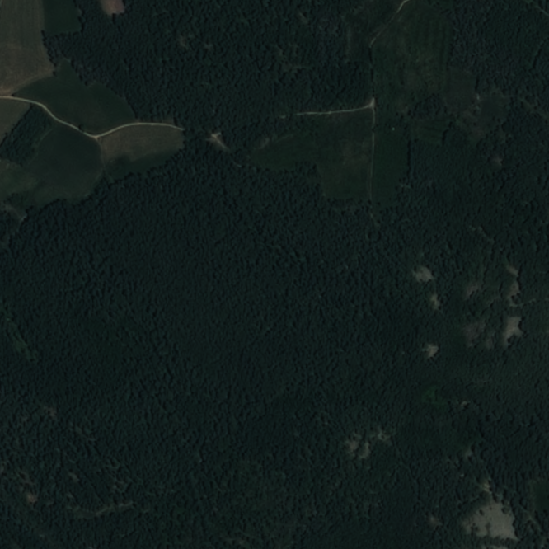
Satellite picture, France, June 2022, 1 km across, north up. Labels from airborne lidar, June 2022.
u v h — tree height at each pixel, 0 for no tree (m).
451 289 23
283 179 18
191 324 21
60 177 0
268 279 23
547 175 20
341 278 14
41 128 11
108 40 23
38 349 17
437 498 23
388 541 21
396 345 18
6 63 0
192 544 9
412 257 18
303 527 11
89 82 12
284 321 21
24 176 0
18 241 22
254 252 13
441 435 19
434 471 17
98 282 25
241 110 22
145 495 19
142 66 17
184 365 20
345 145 0
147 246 24
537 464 30
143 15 15
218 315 23
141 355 8
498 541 17
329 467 14
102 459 19
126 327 9
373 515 19
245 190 21
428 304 19
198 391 19
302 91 22
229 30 19
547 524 26
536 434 31
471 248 26
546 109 13
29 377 20
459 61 16
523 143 16
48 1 0
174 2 18
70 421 21
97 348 15
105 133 0
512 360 26
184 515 10
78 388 19
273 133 15
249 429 15
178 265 21
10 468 14
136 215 22
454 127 20
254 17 23
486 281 21
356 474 9
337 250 18
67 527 27
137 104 22
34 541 15
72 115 0
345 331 21
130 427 14
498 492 22
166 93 20
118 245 20
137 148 0
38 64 0
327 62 9
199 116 18
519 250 26
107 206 25
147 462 17
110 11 0
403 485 21
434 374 23
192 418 20
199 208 16
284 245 22
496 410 30
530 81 11
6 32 0
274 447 7
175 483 10
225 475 7
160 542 23
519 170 21
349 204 17
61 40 14
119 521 25
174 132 0
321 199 25
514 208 22
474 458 9
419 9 0
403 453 16
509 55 12
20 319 21
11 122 0
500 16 18
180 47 19
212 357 22
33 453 8
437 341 16
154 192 22
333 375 23
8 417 17
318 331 21
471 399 26
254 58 23
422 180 13
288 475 17
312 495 9
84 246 25
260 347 22
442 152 27
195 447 21
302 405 10
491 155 16
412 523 20
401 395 25
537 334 24
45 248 21
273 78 16
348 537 23
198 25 12
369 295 26
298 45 9
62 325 18
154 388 14
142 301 9
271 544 19
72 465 21
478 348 24
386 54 7
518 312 22
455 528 17
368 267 23
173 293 22
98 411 18
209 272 21
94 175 0
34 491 21
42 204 0
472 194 26
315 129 15
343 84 15
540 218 11
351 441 15
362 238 18
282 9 19
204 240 19
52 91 0
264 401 22
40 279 19
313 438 12
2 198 0
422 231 21
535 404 25
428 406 22
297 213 21
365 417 16
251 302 18
